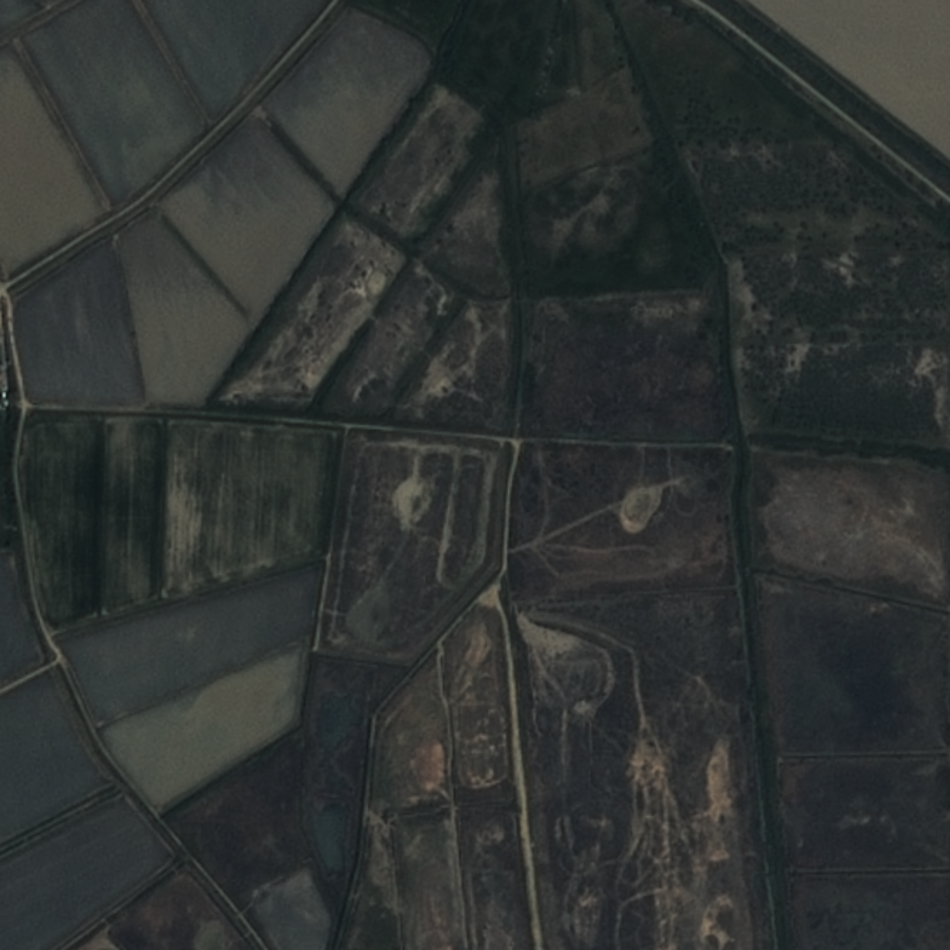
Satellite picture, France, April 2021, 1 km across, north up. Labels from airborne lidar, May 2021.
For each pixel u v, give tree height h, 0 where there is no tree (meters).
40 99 0
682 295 0
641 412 0
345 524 0
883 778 0
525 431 0
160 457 0
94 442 0
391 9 0
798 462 0
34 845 0
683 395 0
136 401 0
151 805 0
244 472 0
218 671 0
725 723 0
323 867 0
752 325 0
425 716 0
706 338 0
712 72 0
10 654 0
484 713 0
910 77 0
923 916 0
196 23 0
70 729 0
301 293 0
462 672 0
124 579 0
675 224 0
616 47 0
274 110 0
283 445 0
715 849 0
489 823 0
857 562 0
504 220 0
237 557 0
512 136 0
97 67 0
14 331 0
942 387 0
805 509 0
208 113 0
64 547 0
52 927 0
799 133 0
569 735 0
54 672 0
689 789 0
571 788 0
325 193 0
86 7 0
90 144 0
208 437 0
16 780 0
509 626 0
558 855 0
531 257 0
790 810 0
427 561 0
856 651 0
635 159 0
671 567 0
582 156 0
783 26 0
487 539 0
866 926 0
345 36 0
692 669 0
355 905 0
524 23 0
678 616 0
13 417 6
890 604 0
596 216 0
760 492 0
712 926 0
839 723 0
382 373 0
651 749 0
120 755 0
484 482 0
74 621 0
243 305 0
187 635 0
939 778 0
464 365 0
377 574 0
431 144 0
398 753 0
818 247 0
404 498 0
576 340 0
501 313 0
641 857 0
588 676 0
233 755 0
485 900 0
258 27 0
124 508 0
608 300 0
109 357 0
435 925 0
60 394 0
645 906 0
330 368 0
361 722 0
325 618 0
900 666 0
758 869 0
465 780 0
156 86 0
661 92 0
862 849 0
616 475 0
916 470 0
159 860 0
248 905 0
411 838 0
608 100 0
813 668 0
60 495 0
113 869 0
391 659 0
